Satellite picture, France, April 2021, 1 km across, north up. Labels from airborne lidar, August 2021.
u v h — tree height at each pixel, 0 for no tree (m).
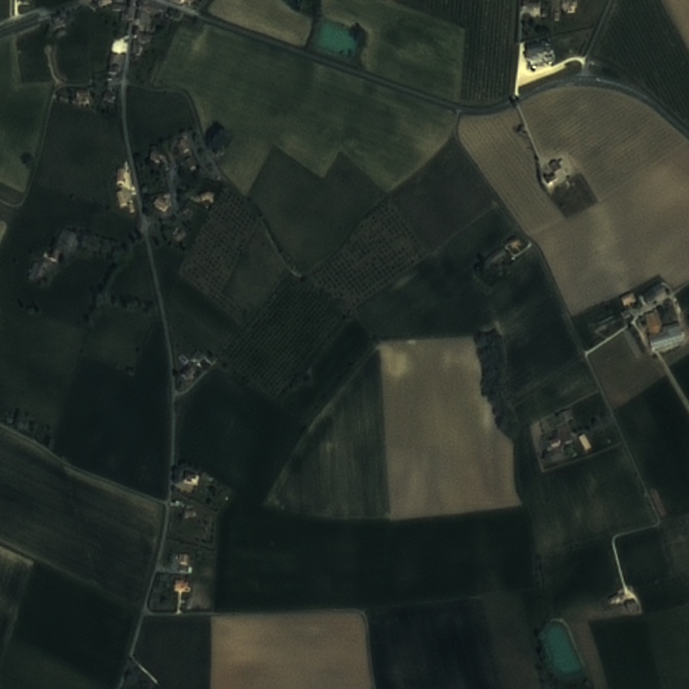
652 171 0
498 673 0
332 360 0
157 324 0
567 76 0
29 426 7
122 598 0
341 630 0
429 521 0
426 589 0
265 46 0
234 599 0
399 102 0
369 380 0
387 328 0
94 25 0
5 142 0
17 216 0
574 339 0
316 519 0
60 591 0
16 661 0
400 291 0
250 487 0
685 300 0
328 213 0
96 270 0
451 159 0
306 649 0
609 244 0
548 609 0
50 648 0
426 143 0
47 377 0
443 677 0
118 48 0
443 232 0
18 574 0
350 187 0
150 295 0
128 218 0
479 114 0
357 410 0
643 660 0
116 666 0
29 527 0
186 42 0
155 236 0
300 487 0
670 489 0
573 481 0
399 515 0
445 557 0
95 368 0
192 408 0
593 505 0
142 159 9
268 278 0
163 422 0
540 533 0
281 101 0
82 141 0
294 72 0
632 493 0
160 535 0
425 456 0
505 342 18
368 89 0
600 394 0
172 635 0
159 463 0
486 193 0
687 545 0
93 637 0
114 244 14
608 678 0
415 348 0
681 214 0
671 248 0
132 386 0
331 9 0
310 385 11
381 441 0
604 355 0
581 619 0
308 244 0
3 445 0
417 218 0
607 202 0
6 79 0
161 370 0
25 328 0
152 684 6
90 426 0
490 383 16
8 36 0
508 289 0
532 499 0
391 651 0
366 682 0
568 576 0
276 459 0
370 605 0
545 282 0
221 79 0
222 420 0
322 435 0
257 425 0
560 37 0
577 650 0
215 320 0
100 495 0
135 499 0
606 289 0
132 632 0
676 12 0
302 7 24
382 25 0
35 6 0
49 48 0
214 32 0
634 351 0
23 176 0
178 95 0
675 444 0
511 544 0
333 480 0
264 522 0
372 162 0
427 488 0
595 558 0
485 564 0
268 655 0
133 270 0
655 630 0
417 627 0
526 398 0
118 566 0
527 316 0
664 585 0
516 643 0
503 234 0
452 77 0
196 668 0
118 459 0
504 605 0
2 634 0
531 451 0
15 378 0
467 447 0
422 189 0
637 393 0
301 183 0
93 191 0
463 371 0
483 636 0
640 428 0
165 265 0
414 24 0
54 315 0
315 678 0
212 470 0
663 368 0
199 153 7
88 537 0
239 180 0
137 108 0
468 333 0
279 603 0
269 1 0
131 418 0
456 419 0
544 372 0
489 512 0
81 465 0
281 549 0
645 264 0
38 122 0
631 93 0
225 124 0
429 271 0
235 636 0
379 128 0
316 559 0
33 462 0
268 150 0
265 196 0
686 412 0
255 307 0
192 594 0
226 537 0
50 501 0
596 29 0
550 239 0
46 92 0
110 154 0
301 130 0
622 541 0
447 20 0
